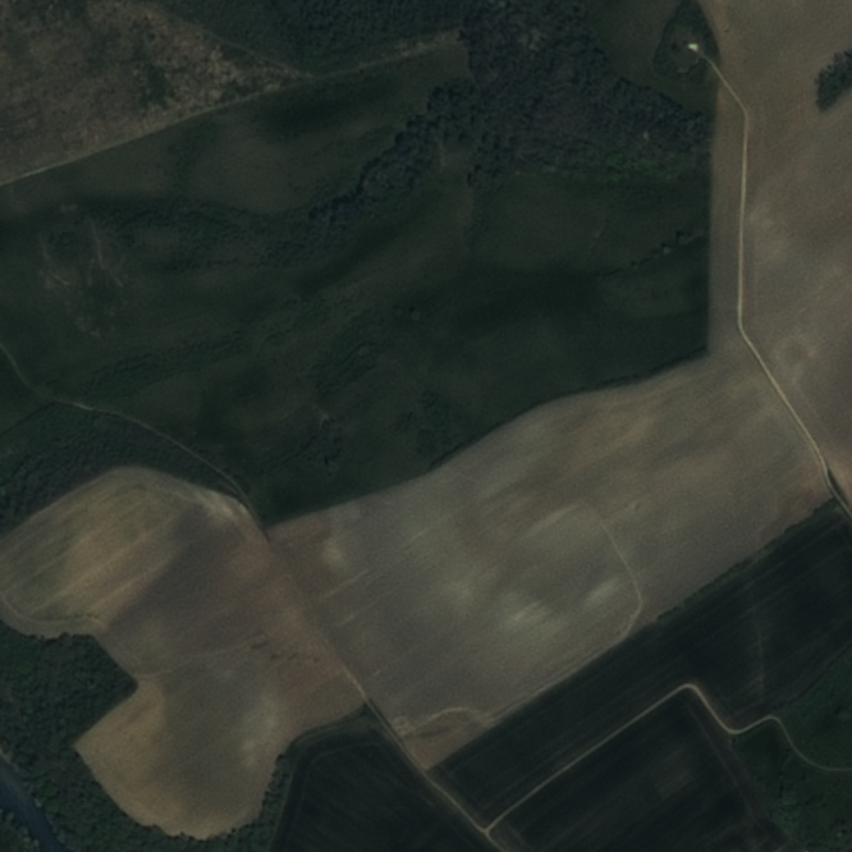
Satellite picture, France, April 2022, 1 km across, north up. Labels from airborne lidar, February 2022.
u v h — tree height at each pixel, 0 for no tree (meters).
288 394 0
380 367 0
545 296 0
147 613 0
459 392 0
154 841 18
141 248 0
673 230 0
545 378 0
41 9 0
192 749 0
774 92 0
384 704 0
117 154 0
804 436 0
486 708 0
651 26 0
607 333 0
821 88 14
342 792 0
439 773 0
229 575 0
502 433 0
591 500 0
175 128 0
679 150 22
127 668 0
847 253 0
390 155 10
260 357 0
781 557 0
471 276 0
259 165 0
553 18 16
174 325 0
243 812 0
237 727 0
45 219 0
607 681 0
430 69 0
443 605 0
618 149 19
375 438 0
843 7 0
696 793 0
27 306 0
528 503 0
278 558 0
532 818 0
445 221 0
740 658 0
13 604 0
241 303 0
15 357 0
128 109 0
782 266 0
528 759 0
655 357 0
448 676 0
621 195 0
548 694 0
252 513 0
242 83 0
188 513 0
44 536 0
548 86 21
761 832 0
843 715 12
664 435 0
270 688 0
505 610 0
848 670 6
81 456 7
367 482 0
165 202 0
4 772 0
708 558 0
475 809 0
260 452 0
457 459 0
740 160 0
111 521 0
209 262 0
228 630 0
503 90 10
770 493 0
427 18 17
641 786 0
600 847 0
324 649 0
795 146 0
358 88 0
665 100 13
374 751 0
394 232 0
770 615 0
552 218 0
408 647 0
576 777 0
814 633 0
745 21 0
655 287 0
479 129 17
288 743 0
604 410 0
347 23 14
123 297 0
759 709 0
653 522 0
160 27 0
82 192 0
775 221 0
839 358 0
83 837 19
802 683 0
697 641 0
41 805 12
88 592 0
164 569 0
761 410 0
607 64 19
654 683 0
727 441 0
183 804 0
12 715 19
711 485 0
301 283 0
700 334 0
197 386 0
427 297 0
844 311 0
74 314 0
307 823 0
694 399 0
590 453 0
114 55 0
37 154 0
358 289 0
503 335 0
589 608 0
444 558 0
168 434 0
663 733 0
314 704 0
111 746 0
